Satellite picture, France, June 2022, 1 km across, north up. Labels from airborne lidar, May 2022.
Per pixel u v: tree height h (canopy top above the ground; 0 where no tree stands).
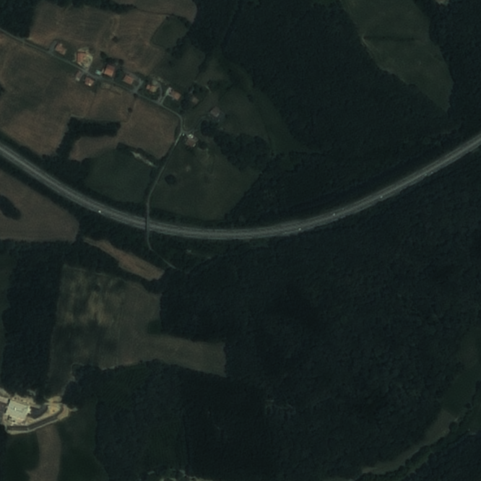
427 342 25
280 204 16
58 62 0
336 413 24
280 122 0
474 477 26
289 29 19
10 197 0
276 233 0
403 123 19
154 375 21
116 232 17
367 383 29
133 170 0
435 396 17
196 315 15
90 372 21
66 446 0
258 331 20
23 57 0
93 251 12
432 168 0
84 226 14
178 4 0
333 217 0
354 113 19
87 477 0
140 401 24
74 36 0
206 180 0
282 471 17
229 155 15
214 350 0
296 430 19
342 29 21
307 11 15
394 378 24
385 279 19
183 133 0
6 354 13
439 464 22
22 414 0
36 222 0
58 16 0
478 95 24
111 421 28
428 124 18
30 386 14
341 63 22
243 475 15
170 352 0
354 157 14
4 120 0
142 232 7
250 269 17
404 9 0
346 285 10
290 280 15
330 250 18
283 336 14
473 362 0
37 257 24
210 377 14
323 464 23
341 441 26
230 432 17
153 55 0
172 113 0
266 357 20
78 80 0
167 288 21
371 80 18
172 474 19
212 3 25
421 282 24
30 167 0
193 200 0
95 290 8
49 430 0
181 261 9
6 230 0
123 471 21
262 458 20
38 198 0
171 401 23
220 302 19
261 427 12
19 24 24
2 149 0
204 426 17
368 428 24
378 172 8
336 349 29
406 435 23
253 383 15
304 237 16
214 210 0
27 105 0
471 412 16
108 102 0
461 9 24
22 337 17
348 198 11
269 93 10
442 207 21
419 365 25
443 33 25
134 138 0
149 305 0
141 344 0
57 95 0
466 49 25
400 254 14
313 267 23
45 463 0
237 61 17
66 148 16
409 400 24
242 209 15
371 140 22
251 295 18
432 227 16
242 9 18
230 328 21
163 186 0
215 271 19
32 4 21
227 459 20
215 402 19
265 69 22
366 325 25
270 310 20
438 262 25
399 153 18
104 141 0
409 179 0
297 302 20
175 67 0
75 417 0
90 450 0
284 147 0
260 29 21
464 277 27
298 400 26
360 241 21
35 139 0
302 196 21
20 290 23
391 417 26
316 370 24
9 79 0
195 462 21
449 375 20
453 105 17
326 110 23
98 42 0
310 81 21
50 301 13
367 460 27
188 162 0
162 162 9
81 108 0
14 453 0
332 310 11
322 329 19
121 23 0
